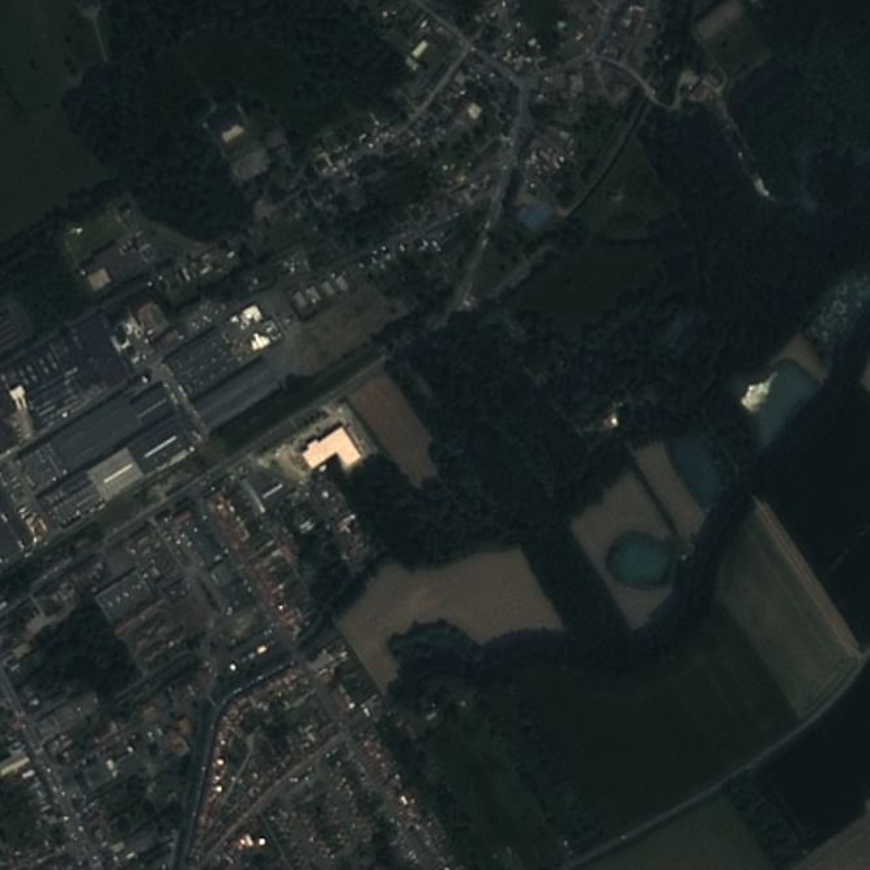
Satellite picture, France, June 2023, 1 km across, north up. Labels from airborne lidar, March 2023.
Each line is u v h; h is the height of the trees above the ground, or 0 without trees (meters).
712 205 38
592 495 17
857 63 35
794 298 35
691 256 12
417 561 18
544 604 0
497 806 0
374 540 8
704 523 0
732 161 36
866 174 23
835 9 24
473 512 12
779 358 0
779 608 0
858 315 0
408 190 0
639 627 0
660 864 0
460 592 0
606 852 0
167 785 0
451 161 0
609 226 0
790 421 0
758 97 35
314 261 7
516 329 0
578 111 0
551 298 0
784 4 24
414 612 0
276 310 0
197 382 0
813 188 23
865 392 0
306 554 7
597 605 29
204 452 0
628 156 0
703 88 0
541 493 38
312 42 25
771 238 38
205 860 0
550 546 26
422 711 16
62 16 0
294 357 0
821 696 0
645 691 0
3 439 0
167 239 0
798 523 0
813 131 34
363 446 0
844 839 0
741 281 35
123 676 8
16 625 7
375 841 9
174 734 0
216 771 0
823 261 35
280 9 24
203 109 21
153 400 0
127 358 0
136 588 0
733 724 0
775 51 7
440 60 0
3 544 0
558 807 0
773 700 0
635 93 8
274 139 0
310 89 20
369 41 24
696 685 0
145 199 23
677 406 10
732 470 11
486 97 13
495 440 39
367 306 0
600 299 0
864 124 14
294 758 0
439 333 8
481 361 12
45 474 0
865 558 0
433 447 9
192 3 34
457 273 0
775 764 0
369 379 0
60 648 14
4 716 0
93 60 0
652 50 6
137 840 0
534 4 0
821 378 0
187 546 0
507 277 0
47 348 0
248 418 8
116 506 0
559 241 12
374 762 0
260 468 0
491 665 25
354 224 8
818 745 0
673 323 9
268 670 0
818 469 0
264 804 0
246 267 9
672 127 32
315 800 0
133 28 28
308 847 0
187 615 0
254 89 0
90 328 0
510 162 0
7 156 0
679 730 0
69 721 0
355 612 0
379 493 25
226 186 17
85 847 0
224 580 0
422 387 0
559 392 10
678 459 0
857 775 0
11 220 0
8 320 0
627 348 21
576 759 0
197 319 0
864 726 0
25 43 0
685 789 0
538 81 0
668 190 0
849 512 0
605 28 0
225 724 0
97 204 22
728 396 20
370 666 0
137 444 0
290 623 0
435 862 0
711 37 0
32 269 11
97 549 0
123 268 0
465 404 35
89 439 0
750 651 0
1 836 12
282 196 14
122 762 0
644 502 0
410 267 10
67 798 0
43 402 0
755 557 0
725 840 0
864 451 0
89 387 0
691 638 0
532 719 8
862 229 34
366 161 6
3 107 0
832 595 0
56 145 0
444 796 12
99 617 8
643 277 0
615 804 0
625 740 0
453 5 6
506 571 0
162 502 0
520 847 0
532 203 0
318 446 0
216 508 0
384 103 18
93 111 24
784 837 13
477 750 0
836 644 0
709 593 22
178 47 0
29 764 0
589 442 8
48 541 0
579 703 0
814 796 0
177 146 29
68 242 0
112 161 25
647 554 0
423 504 24
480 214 9
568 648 26
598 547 0
